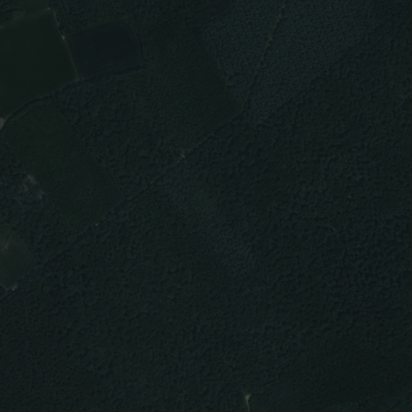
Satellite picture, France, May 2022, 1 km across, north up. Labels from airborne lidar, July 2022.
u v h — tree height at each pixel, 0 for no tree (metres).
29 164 6
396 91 23
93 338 26
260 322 25
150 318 25
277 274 23
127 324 21
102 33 0
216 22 21
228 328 25
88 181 7
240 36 25
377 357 18
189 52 13
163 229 18
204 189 11
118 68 0
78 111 25
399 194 25
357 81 21
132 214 20
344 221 24
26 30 0
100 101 27
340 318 28
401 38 27
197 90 15
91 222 7
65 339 28
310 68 17
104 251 22
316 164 29
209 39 21
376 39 26
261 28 25
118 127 28
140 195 15
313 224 26
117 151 27
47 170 6
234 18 23
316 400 21
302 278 29
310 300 30
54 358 24
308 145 23
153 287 23
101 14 20
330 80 24
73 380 23
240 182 27
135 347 23
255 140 29
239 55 18
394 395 19
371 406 18
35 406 23
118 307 25
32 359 24
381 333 27
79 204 7
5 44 0
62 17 14
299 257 19
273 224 16
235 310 26
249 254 29
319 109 21
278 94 23
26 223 23
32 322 20
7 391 26
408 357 20
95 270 21
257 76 18
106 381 33
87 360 27
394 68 18
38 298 26
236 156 23
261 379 23
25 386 24
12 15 16
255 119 16
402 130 24
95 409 22
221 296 22
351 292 24
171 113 14
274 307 27
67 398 22
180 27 13
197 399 13
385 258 14
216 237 31
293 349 23
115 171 29
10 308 21
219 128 11
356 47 20
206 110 13
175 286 26
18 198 28
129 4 24
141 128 30
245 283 28
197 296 24
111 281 26
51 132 8
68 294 28
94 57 0
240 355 19
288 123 21
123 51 0
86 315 29
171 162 24
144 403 29
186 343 18
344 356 18
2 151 29
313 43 22
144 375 20
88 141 27
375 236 22
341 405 19
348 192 22
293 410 17
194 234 21
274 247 20
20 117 8
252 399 15
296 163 17
